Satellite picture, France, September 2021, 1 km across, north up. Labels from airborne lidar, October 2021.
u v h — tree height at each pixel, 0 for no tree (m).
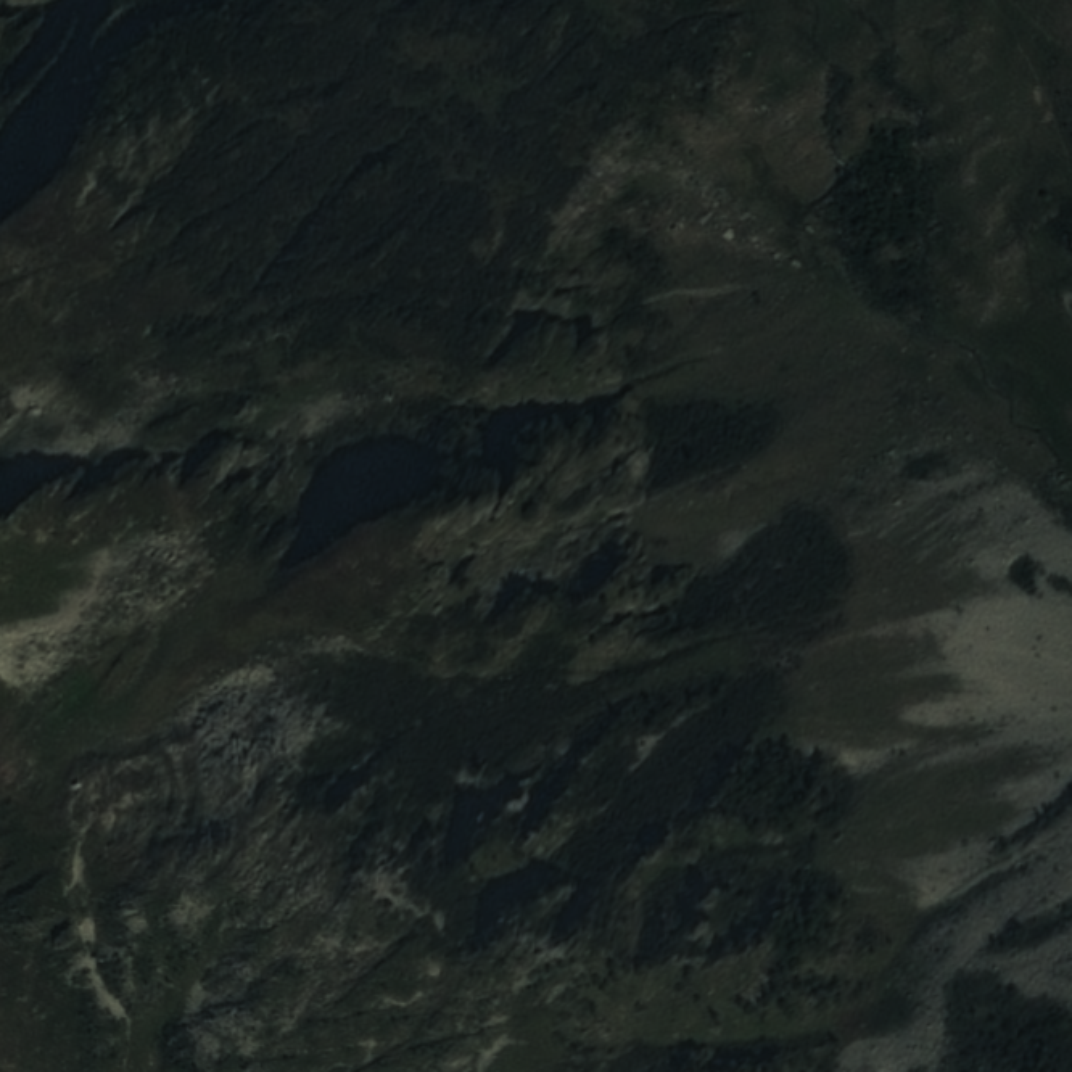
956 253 0
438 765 6
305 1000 0
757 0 0
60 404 0
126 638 0
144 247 0
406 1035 0
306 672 0
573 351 6
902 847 0
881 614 0
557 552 0
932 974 0
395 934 0
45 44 6
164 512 0
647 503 0
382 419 0
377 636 0
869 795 0
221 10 12
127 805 0
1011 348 0
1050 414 0
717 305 0
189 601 0
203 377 0
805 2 0
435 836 17
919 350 0
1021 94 0
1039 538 0
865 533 0
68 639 0
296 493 0
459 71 0
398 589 0
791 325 0
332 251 7
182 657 0
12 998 0
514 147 7
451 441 8
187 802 0
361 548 0
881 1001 0
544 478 8
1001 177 0
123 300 0
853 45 0
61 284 0
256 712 0
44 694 0
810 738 0
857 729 0
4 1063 0
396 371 0
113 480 0
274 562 0
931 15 0
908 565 0
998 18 0
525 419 7
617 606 15
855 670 0
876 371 0
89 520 0
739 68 0
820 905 14
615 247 10
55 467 0
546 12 6
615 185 0
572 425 8
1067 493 0
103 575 0
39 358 0
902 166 8
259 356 0
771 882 6
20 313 0
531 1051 0
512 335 8
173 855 0
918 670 0
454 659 0
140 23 6
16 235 0
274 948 0
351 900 0
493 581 0
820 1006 12
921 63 0
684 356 0
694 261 0
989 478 0
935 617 0
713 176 0
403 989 0
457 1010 0
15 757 0
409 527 0
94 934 0
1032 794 0
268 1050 0
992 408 0
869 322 0
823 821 11
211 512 0
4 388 0
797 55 0
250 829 0
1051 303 0
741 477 0
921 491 0
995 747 0
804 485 0
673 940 7
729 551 0
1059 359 0
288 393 0
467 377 0
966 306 0
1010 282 0
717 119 0
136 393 0
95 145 0
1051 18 0
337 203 7
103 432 0
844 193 9
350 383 0
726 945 6
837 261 0
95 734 0
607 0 0
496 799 6
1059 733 0
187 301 0
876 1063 0
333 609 0
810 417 0
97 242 0
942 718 0
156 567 0
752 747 8
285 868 0
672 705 9
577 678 0
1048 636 0
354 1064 0
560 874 12
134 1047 0
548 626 0
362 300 6
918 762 0
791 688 0
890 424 0
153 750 0
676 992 10
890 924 0
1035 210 0
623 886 6
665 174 0
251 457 0
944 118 0
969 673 0
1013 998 10
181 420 0
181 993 0
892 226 6
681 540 0
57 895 0
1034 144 0
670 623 14
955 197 0
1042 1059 11
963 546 0
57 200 0
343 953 0
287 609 0
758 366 0
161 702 0
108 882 0
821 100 0
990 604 0
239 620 0
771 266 0
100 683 0
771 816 10
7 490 0
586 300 8
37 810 0
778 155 0
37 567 0
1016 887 0
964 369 0
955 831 0
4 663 0
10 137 0
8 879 0
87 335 0
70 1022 0
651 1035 0
